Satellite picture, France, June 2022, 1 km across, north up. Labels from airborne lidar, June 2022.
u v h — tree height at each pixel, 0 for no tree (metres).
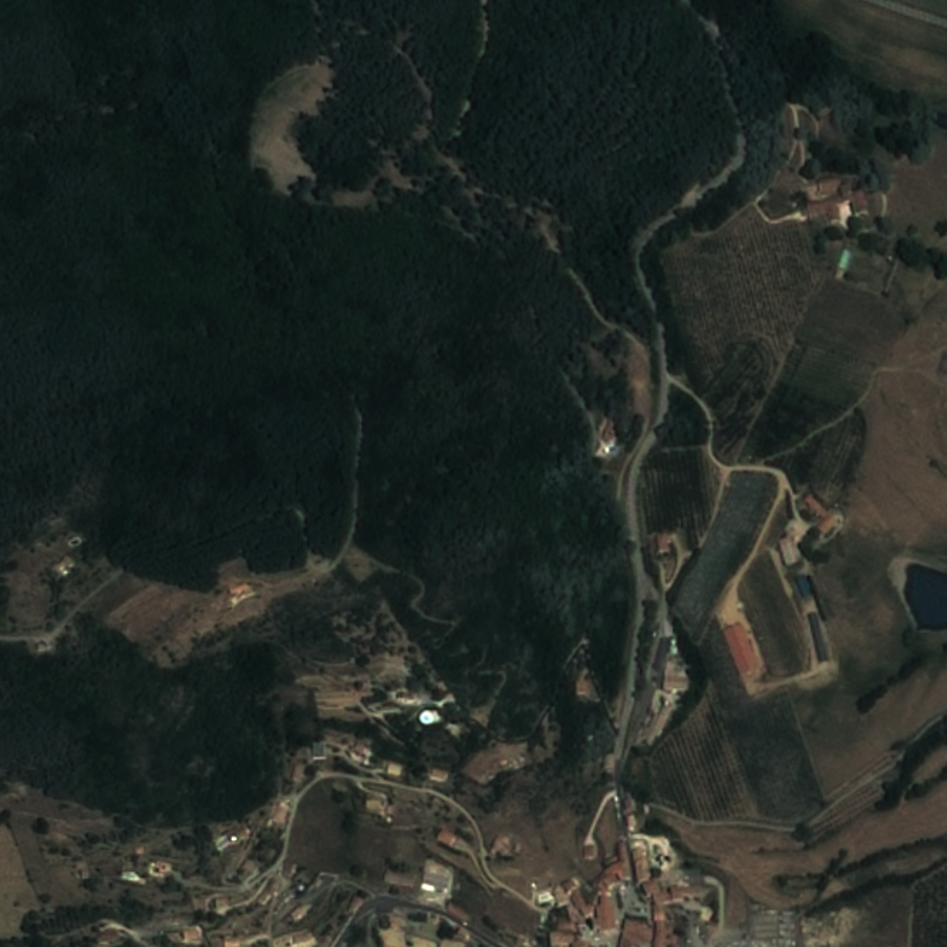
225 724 12
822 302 0
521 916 0
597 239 21
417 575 6
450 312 14
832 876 8
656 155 17
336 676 0
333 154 18
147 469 13
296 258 26
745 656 0
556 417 11
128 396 20
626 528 18
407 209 14
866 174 15
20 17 12
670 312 15
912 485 0
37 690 11
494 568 11
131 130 18
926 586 0
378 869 0
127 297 14
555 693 12
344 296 17
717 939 0
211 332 11
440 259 14
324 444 19
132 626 0
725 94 19
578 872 0
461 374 21
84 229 18
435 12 17
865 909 0
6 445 17
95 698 9
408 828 0
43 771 5
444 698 7
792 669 0
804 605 0
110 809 5
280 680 9
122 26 19
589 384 17
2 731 15
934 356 0
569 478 17
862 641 0
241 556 14
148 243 13
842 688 0
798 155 0
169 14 18
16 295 21
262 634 11
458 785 7
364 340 17
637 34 20
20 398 13
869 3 0
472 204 14
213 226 21
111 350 19
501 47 16
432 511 20
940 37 0
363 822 0
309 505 16
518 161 17
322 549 15
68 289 23
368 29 17
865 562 0
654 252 22
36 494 10
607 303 18
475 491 22
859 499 0
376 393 12
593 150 20
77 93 15
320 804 0
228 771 11
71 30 14
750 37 23
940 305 0
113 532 10
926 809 0
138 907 9
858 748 0
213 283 15
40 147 15
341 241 18
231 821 8
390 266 14
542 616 18
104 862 0
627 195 14
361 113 14
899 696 0
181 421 18
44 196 23
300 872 7
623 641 8
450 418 19
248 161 21
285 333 19
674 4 16
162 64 18
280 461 20
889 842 0
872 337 0
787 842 0
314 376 19
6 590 6
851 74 14
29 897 0
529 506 20
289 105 0
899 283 0
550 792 0
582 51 19
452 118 15
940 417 0
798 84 24
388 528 12
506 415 13
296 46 17
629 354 6
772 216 0
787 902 0
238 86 15
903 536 0
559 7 23
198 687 11
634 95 20
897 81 0
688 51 20
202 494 16
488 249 17
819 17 0
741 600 0
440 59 25
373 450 9
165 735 6
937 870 6
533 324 14
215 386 21
